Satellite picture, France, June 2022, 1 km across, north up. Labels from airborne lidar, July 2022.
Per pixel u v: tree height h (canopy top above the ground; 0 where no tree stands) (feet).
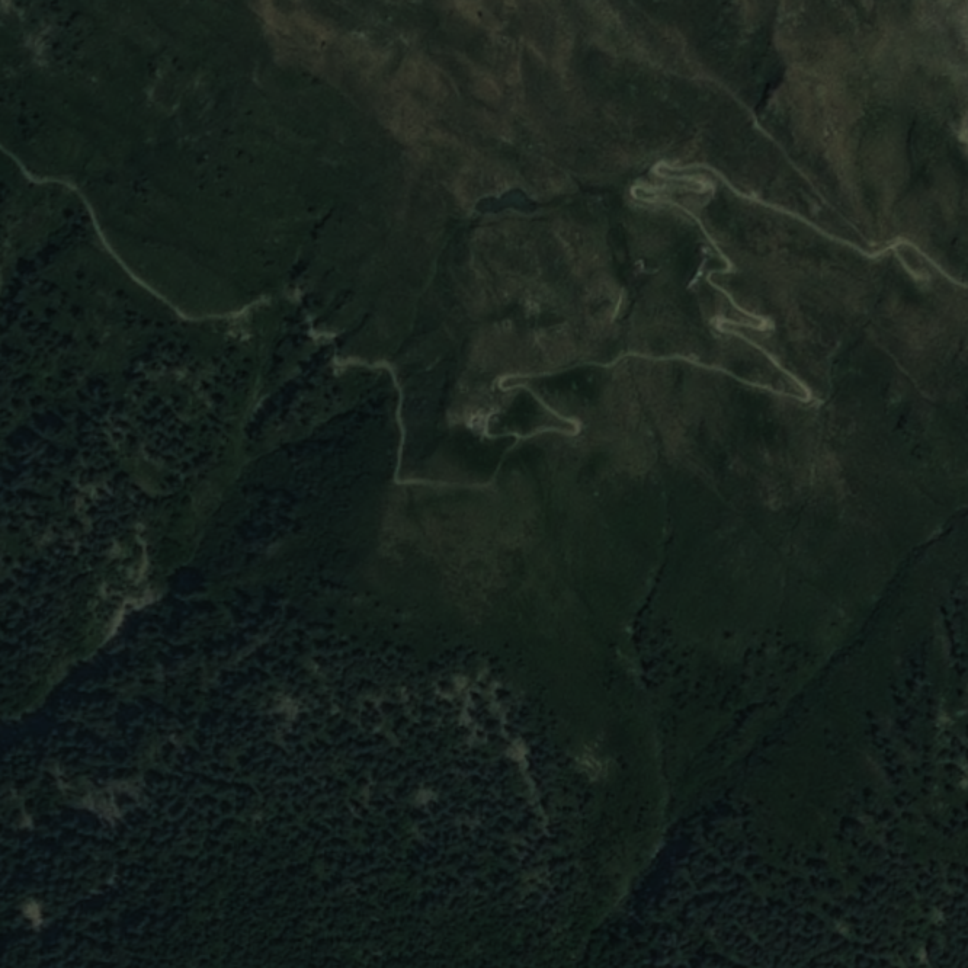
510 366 0
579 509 0
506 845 39
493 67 0
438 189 0
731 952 103
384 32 0
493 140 0
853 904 79
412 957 37
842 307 0
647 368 0
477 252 0
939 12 0
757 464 0
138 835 45
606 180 0
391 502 0
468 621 0
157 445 23
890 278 0
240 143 0
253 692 68
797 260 0
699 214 0
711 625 0
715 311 0
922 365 0
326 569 34
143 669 38
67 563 77
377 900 24
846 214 0
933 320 0
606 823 28
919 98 0
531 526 0
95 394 63
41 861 59
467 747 36
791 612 0
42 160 0
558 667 0
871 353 0
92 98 0
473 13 0
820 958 75
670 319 0
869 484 0
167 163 0
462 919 53
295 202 0
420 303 0
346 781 23
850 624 0
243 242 0
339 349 29
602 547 0
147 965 70
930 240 0
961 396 0
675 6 0
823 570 0
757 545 0
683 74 0
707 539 0
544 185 0
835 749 38
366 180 0
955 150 0
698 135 0
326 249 0
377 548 0
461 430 0
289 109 0
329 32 0
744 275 0
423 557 0
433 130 0
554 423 0
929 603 0
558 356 0
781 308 0
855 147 0
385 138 0
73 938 96
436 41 0
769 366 0
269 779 58
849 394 0
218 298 0
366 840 19
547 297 0
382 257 0
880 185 0
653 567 0
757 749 24
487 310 0
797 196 0
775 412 0
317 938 49
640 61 0
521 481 0
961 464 0
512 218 0
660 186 0
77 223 34
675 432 0
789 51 0
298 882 37
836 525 0
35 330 56
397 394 0
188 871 81
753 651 36
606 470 0
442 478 0
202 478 38
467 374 0
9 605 89
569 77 0
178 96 0
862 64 0
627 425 0
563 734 0
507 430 0
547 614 0
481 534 0
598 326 0
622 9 0
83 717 44
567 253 0
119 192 0
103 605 29
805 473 0
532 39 0
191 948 53
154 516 27
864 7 0
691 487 0
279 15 0
